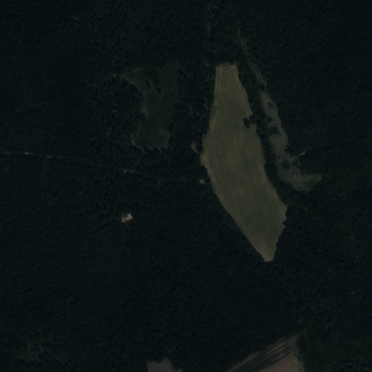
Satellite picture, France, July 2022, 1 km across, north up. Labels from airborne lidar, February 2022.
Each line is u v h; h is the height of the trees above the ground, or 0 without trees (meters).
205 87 24
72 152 23
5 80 21
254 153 0
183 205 21
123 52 25
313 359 0
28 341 0
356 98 17
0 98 24
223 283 27
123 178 25
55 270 27
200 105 27
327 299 22
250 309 28
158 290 28
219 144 0
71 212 21
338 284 27
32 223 23
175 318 27
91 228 28
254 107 7
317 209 15
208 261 26
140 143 0
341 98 19
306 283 25
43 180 19
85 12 26
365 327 27
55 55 24
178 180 20
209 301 25
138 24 9
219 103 0
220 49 21
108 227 26
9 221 24
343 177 14
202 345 31
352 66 19
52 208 23
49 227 23
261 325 28
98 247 22
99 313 23
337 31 17
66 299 21
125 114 30
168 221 29
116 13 23
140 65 25
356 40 21
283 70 16
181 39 22
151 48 24
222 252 21
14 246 29
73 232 25
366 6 25
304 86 18
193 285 27
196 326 30
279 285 27
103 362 21
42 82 18
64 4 18
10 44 23
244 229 0
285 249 25
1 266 24
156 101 0
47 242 27
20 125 20
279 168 0
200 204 26
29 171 20
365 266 24
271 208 0
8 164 22
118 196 28
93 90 25
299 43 17
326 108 18
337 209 26
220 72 0
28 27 15
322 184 11
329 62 16
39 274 29
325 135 18
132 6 27
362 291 28
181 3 25
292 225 26
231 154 0
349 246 26
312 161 14
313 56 18
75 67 22
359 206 28
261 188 0
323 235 22
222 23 23
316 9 20
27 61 22
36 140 21
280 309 26
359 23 22
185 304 29
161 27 25
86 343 23
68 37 21
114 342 26
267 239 0
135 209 27
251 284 21
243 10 18
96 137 23
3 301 26
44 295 20
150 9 26
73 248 22
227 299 28
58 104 22
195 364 27
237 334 28
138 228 28
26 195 20
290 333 20
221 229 17
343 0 21
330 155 18
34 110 20
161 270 26
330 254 16
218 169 0
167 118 0
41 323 25
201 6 19
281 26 18
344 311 26
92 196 24
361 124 18
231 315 31
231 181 0
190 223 25
